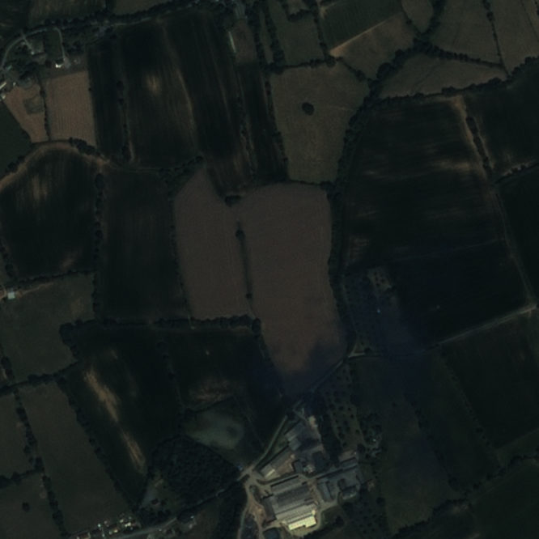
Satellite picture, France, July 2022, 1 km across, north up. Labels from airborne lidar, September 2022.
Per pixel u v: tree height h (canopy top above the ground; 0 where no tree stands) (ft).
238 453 0
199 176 0
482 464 0
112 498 0
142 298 0
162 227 0
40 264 0
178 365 0
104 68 0
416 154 0
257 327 57
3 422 0
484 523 0
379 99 37
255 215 0
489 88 49
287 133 0
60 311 0
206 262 0
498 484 0
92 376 0
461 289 0
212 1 23
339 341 0
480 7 0
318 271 0
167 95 0
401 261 0
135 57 0
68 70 0
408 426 0
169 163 0
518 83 0
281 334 0
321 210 0
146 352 0
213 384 0
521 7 0
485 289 0
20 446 0
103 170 0
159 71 0
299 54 0
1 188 0
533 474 0
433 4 27
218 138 0
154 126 0
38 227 0
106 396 0
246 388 0
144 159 0
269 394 0
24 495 0
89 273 28
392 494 0
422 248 0
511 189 0
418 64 0
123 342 0
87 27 32
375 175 0
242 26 0
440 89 0
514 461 34
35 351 0
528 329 0
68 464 0
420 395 0
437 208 0
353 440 0
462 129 0
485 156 31
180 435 31
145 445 0
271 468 0
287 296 0
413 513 0
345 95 0
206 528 0
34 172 0
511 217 0
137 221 0
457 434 0
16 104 0
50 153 0
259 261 0
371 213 0
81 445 0
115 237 0
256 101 0
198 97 0
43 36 28
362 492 52
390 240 0
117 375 0
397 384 0
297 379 0
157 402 0
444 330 0
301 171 0
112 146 0
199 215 0
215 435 0
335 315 0
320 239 0
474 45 0
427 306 0
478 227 0
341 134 0
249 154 20
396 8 0
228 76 0
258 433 0
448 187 0
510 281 0
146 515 32
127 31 0
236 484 51
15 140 0
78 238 0
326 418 73
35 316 0
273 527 0
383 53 0
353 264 0
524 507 0
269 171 0
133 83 0
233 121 0
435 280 0
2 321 0
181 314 0
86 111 0
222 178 0
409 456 0
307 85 0
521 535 0
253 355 0
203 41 0
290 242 0
